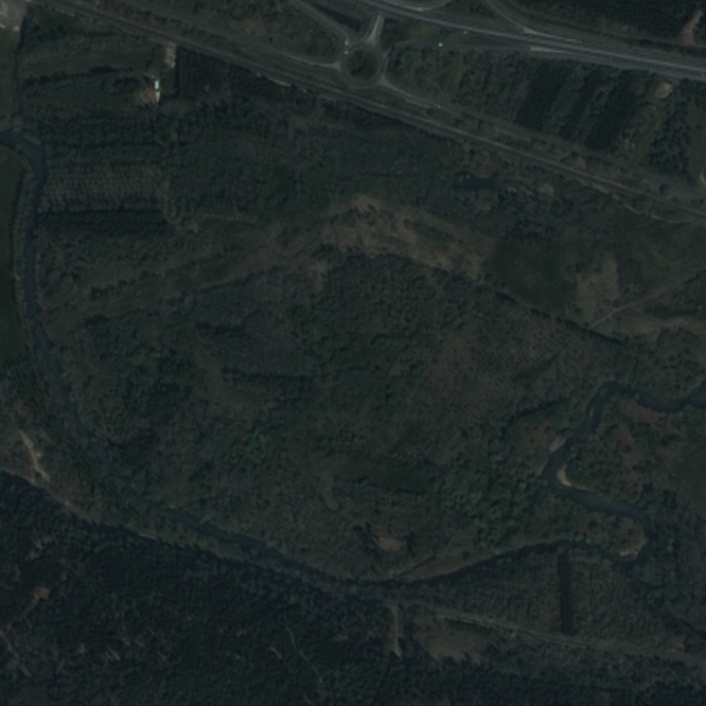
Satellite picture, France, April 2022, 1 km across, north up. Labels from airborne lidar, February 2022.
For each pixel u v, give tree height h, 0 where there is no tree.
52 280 17
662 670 7
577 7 16
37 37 24
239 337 22
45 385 0
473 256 0
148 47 10
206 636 13
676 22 16
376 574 23
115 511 13
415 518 0
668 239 0
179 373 0
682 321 0
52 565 14
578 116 15
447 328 10
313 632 13
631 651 0
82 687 23
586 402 12
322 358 8
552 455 0
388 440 0
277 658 10
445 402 0
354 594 22
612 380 16
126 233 27
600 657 7
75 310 10
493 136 21
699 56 13
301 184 7
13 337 0
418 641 32
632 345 14
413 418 0
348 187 14
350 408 11
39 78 0
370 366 7
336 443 0
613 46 0
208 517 24
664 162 15
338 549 19
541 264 0
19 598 15
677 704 23
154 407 20
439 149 23
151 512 13
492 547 12
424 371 14
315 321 7
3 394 25
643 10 14
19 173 0
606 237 15
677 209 0
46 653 11
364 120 16
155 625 13
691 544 26
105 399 0
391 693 32
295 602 34
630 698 19
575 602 8
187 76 23
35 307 0
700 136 0
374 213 15
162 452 15
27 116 18
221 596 16
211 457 19
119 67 0
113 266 8
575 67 15
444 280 17
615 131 13
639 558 0
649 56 0
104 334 22
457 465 14
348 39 0
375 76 0
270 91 20
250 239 0
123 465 23
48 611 13
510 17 0
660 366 12
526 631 0
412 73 0
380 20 0
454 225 20
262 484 14
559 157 19
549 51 0
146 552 13
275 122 23
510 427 10
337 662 16
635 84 14
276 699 9
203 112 16
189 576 22
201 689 11
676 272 0
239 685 9
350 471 0
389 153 22
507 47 0
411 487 0
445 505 13
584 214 20
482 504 13
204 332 26
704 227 0
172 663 9
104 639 11
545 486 8
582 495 0
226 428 16
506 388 0
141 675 15
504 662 23
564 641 0
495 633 12
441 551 19
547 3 17
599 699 21
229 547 20
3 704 12
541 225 22
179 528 19
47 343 0
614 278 0
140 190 0
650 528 0
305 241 0
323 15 0
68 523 25
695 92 12
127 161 26
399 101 0
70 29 0
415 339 9
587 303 0
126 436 7
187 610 13
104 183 0
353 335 6
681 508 25
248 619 12
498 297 10
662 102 0
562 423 12
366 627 28
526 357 0
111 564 17
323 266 0
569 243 0
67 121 22
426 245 0
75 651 9
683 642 19
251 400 0
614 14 15
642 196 0
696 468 0
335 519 9
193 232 6
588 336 17
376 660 33
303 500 8
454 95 0
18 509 14
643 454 0
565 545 0
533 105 14
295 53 0
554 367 14
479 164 20
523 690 21
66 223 28
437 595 23
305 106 21
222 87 21
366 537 16
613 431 7
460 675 25
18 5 0
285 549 19
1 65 0
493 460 14
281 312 6
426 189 17
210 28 0
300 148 22
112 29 8
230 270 0
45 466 14
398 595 24
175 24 6
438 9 0
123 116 19
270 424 9
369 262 10
